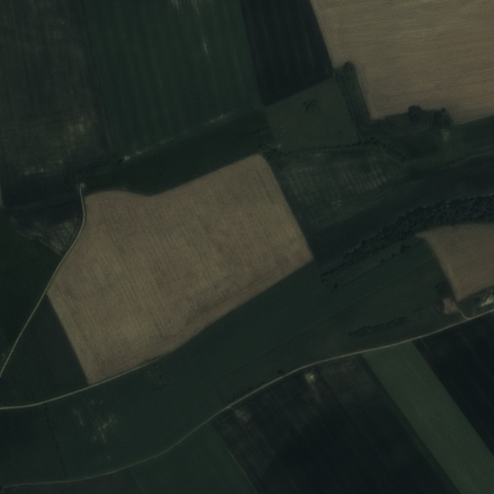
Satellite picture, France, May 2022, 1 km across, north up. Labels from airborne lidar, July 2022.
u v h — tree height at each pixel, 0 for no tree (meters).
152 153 0
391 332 0
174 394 0
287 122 0
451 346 0
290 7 0
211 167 0
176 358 0
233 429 0
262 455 0
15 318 0
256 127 0
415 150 0
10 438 0
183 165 0
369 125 0
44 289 0
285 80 0
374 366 0
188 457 0
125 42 0
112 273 0
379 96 0
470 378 0
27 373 0
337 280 0
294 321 0
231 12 0
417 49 0
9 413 0
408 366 0
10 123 0
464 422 0
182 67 0
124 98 0
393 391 0
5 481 0
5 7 0
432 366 0
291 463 0
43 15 0
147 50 0
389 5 0
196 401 0
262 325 0
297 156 0
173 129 0
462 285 0
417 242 0
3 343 0
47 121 0
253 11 0
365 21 0
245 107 0
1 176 0
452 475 0
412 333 0
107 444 0
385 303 0
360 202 0
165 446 0
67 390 0
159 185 0
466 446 0
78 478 0
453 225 12
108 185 0
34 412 0
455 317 0
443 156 0
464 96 0
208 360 0
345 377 0
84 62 0
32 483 0
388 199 0
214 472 0
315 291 0
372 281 0
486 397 0
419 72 0
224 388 0
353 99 0
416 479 0
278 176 0
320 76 0
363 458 0
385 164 0
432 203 0
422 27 0
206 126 0
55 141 0
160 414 0
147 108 0
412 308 0
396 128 0
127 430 0
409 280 0
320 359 0
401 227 16
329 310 0
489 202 18
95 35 0
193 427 0
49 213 0
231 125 0
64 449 0
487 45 0
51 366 0
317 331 0
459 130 0
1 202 0
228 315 0
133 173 0
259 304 0
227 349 0
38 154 0
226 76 0
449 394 0
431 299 0
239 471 0
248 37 0
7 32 0
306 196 0
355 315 0
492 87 0
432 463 0
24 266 0
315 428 0
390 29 0
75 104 0
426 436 0
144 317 0
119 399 0
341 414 0
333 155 0
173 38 0
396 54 0
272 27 0
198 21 0
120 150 0
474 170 0
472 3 0
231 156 0
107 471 0
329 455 0
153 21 0
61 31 0
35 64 0
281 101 0
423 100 0
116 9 0
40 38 0
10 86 0
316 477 0
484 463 0
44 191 0
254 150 0
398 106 0
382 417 0
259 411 0
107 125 0
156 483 0
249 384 0
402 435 0
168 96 0
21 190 0
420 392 0
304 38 0
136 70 0
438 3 0
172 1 0
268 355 0
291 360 0
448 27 0
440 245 0
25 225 0
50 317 0
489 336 0
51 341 0
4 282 0
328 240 0
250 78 0
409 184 0
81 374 0
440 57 0
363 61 0
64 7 0
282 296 0
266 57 0
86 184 0
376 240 10
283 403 0
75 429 0
